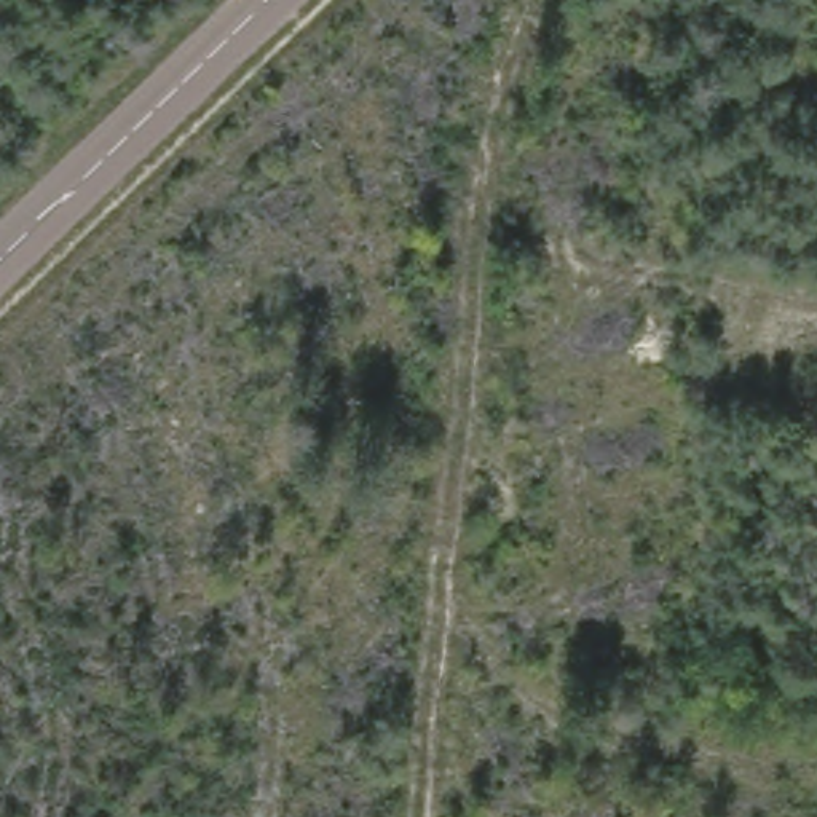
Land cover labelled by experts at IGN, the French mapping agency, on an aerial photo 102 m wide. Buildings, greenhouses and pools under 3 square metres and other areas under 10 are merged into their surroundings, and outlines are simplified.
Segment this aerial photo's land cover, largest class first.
<instances>
[{"label":"deciduous trees","instance_id":"1","mask_svg":"<svg viewBox=\"0 0 817 817\"><path fill-rule=\"evenodd\" d=\"M364 3V19L345 29H329L322 16L313 19L268 64V70L255 77L207 128H201L182 147L176 163L153 172L137 195L115 207L29 297H22L0 319V817H817V715H782V708L772 699L760 696L756 689L734 686V677L753 664L750 648H734L721 657L705 645L696 648V657L677 677L683 699H677L680 715L667 731L654 734V728L641 724L635 734H622L610 728L613 680H619L622 670L638 667L641 651H654L651 619L657 610V594L667 587L670 578L667 568H648L641 574L635 571L626 523L641 511V504L657 507V501L677 498L683 491V472L657 469L645 460L641 466L619 469L616 476H587V466L581 463H574L571 469L562 466V444H581L584 431L597 428H635L638 418L664 431V447L683 437V428L702 431L705 412L686 405L683 386L667 380L657 361L635 357V341L645 335V319H654L657 329L670 338L673 313L657 303V287H680L686 297H693L696 310H705L712 303L708 287L718 271L747 281L750 262L756 259L740 252L724 262H705L693 252L683 262H664L657 243L661 236L680 230L673 223V204L680 191L661 185V179L651 176L645 179V191L654 201V207L645 211L648 239L641 246L616 239L613 223L603 217L600 207L558 201L552 188H543L539 214L546 246L574 243L578 259L587 265V274L571 271L565 265V255L546 252V265L536 274V284L504 297L501 316H485L491 214L501 201L520 198L527 185V179L520 176V160L527 153L517 150L520 134H491L495 112H514V102L504 96V89L517 83L523 48L539 32L543 0H335V3L338 10ZM431 124H466L476 137H491V179L485 185H472L469 172H463L460 179H450L444 185L447 227L453 243V268L447 271L456 278V290L450 297L434 294L431 306L437 310V326L447 345H431L428 338H418V316L405 306V300L393 297V287H380L377 278V271L389 274L396 268V255L402 249H412L415 236L421 233L409 223V207H418L421 195L409 188L402 166L431 150ZM284 131L300 134L294 163L262 160L259 172L249 179L243 172L246 156L265 140L281 137ZM204 207H220L243 217L230 230H214L207 252H182L160 246L163 236H179L195 217V211ZM345 265L357 268L364 319L332 326L326 287L345 278ZM274 274H287V303L278 310H265V297H259V290Z\"/></svg>","mask_w":817,"mask_h":817},{"label":"coniferous trees","instance_id":"2","mask_svg":"<svg viewBox=\"0 0 817 817\"><path fill-rule=\"evenodd\" d=\"M204 3L211 13L220 0H0V160L6 166H16L19 156L38 140V128L51 115H67L77 105L83 83L99 77L115 57H128L140 41H147L153 32V10L172 13ZM807 0H543L539 32L523 48L517 83L504 89V96L514 102V112H495L491 134H520L517 150L527 153L520 160V176L527 179V185L520 198L501 201L491 214L485 316H501L504 297L536 284V274L546 265V252L565 255V265L571 271L587 274V265L578 259L574 243L546 246L539 214L543 188H552L558 201L600 207L603 217L613 223L616 239L641 246L648 239L645 211L654 207V201L645 191V179L651 176L661 179V185L680 191L673 204V223L680 230L661 236L657 243L664 262H683L693 252L705 262H724L740 252L756 259L772 262V281L779 284L817 281V70L804 73L798 67V61L791 57L795 38H788ZM329 29H345L364 19V3L338 10L335 3L322 16ZM431 150L402 166L409 188L421 195L418 207H409V223L421 233L415 236L412 249H402L396 255V268L389 274L377 271V278L380 287H393V297L405 300V306L418 316V338H428L431 345H447L437 326V310L431 306L434 294L450 297L456 290V278L447 271L453 268V243L447 227L444 185L450 179H460L463 172H469L472 185H485L491 179V137H476L466 124H431ZM300 134L284 131L281 137L265 140L246 156L243 172L249 179L259 172L262 160L294 163ZM243 217L220 207H204L195 211V217L179 236H163L160 246L182 252H207L214 230H230ZM332 326L364 319L357 268L345 265V278L326 287ZM287 274H274L259 290V297H265V310H278L287 303ZM657 303L673 313L670 338L657 329L654 319H645V335L635 341V357L657 361L667 380L683 386L686 405L705 412L702 431L683 428V437L664 447V431L638 418L635 428H597L584 431L581 444H562V466L571 469L574 463H581L587 466V476H616L619 469L641 466L645 460L657 469L683 472V491L677 498L657 501V507L641 504V511L626 523L635 571L641 574L648 568H667L670 578L667 587L657 594V610L651 619L654 651H641L638 667L622 670L619 680H613L610 728L622 734H635L641 724L654 728V734L667 731L680 715L677 699H683L677 677L696 657V648L705 645L721 657L734 648H750L753 664L734 677V686L756 689L760 696L772 699L782 708V715H817V348L750 354L740 364H731L728 338L721 332L724 319L721 310L712 303L705 310H696L693 297H686L680 287H657Z\"/></svg>","mask_w":817,"mask_h":817},{"label":"impervious surface","instance_id":"3","mask_svg":"<svg viewBox=\"0 0 817 817\"><path fill-rule=\"evenodd\" d=\"M335 3V0H220L211 13L112 115H105L57 166H51V172L41 176L29 188V195H22L10 211L0 214V319L22 297H29L115 207L137 195L153 172L176 163L182 147L201 128H207L255 77L268 70V64L313 19L322 16Z\"/></svg>","mask_w":817,"mask_h":817},{"label":"herbaceous vegetation","instance_id":"4","mask_svg":"<svg viewBox=\"0 0 817 817\"><path fill-rule=\"evenodd\" d=\"M788 38H795L791 57L798 61V67L804 73L817 70V0H807ZM211 13L204 3L172 13L153 10V32L147 41H140L128 57H115L99 77L83 83L77 105L67 115H51L38 128V140L19 156L16 166H6L0 160V214L10 211L22 195H29V188L41 176L51 172V166H57L105 115H112ZM712 303L721 310L724 319L721 332L728 338L731 364H740L750 354L817 348V281L779 284L772 281V262L756 259L750 262L747 281L718 271L708 287Z\"/></svg>","mask_w":817,"mask_h":817}]
</instances>
